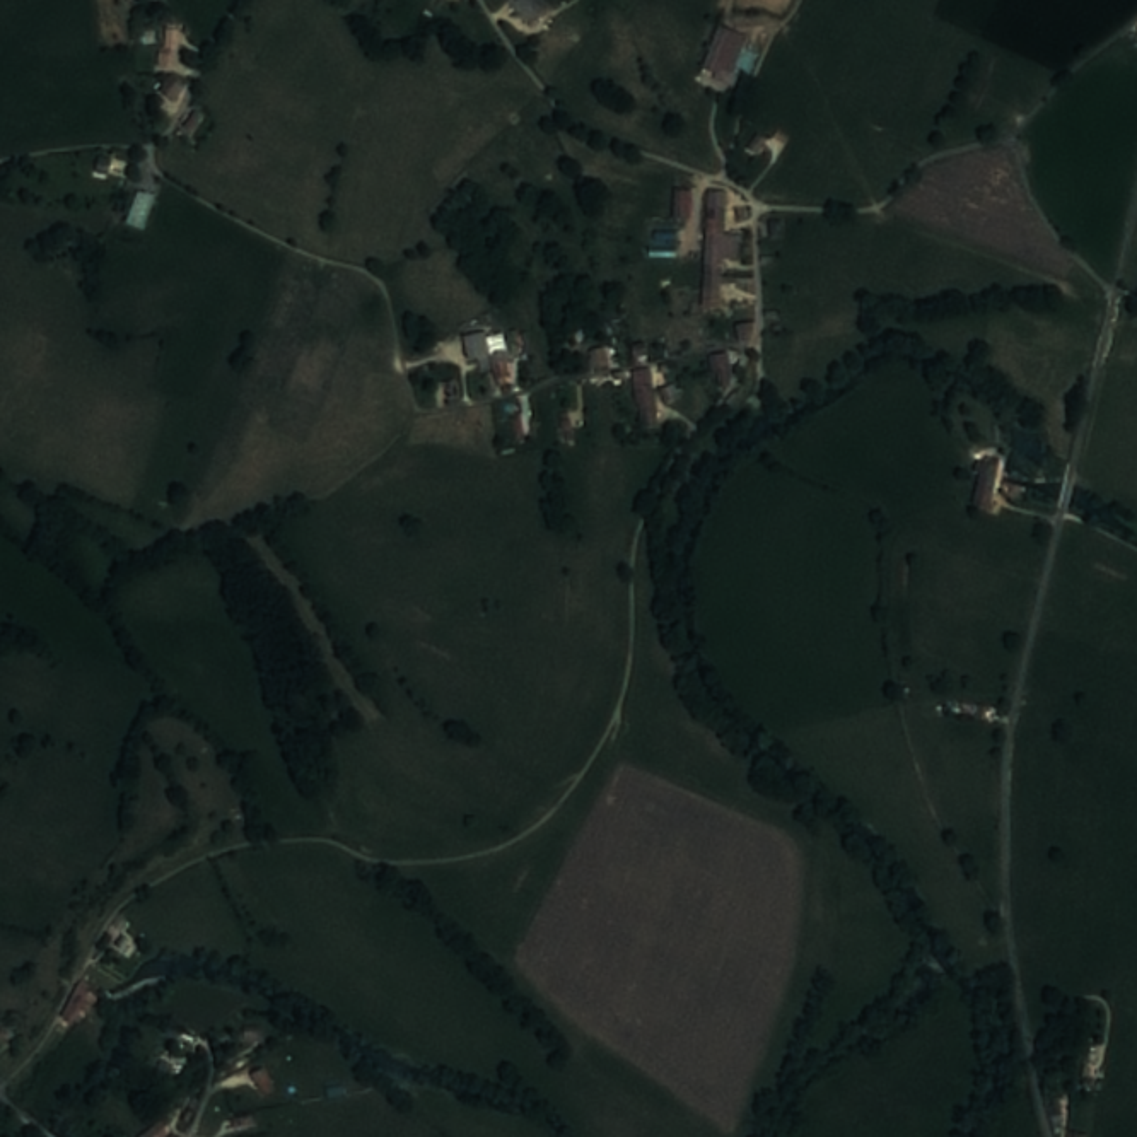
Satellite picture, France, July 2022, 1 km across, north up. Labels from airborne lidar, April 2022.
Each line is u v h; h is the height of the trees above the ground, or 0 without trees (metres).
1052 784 0
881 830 0
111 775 0
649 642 0
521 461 0
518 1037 0
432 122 0
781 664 0
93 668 0
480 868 0
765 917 0
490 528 0
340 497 0
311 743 24
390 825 0
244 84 0
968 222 0
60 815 0
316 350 0
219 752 6
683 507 20
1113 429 0
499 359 0
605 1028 0
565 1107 0
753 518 0
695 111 0
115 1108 0
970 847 0
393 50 17
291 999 12
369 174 0
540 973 0
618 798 0
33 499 18
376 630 14
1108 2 0
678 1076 0
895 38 0
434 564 0
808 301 0
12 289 0
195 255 0
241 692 0
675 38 0
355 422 0
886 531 17
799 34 0
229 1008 0
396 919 0
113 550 19
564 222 14
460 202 17
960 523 0
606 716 0
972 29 0
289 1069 0
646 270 0
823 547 0
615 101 20
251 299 0
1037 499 7
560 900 0
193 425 0
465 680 0
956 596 0
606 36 0
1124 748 0
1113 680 0
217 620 0
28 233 0
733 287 0
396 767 0
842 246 0
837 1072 14
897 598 0
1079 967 0
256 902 0
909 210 0
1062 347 0
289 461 0
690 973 0
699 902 0
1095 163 0
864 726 0
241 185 0
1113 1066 0
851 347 0
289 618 25
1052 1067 11
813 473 0
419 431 0
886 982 0
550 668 0
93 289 10
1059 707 0
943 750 0
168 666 0
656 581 10
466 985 0
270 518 23
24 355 0
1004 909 0
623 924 0
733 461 19
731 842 0
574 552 0
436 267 0
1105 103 0
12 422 0
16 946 0
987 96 0
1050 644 0
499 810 0
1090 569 0
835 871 0
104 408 0
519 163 0
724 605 0
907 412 0
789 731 0
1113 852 0
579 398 0
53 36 0
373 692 12
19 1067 0
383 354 0
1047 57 0
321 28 0
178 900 0
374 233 0
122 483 0
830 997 18
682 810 0
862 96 0
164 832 0
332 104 0
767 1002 0
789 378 0
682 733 0
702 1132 0
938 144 15
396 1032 0
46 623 0
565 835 0
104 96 0
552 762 0
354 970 0
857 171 0
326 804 0
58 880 0
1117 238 0
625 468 0
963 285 0
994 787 0
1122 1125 0
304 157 0
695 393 0
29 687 0
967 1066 0
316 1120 0
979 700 0
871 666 0
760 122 0
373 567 0
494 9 0
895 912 16
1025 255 0
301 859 0
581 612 0
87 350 0
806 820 15
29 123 0
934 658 0
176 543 19
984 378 20
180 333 0
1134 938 0
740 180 11
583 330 6
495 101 0
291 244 12
